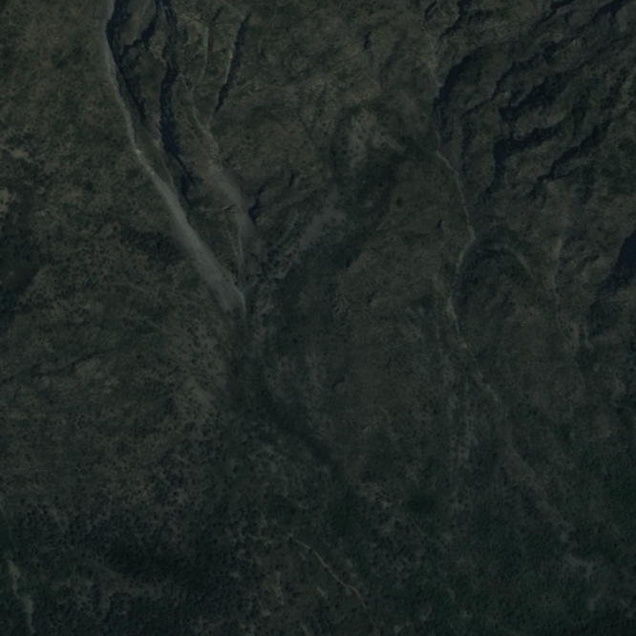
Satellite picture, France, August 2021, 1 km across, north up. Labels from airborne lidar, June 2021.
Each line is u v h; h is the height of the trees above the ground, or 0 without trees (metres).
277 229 7
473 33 7
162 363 7
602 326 9
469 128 5
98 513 13
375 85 0
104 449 7
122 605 17
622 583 6
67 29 0
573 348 7
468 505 9
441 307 7
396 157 7
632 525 7
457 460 6
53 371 6
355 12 6
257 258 9
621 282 8
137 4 0
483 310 7
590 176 6
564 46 7
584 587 8
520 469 0
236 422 8
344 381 6
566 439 6
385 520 11
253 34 0
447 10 6
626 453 7
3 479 8
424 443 14
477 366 0
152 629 14
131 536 9
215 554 7
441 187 6
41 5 0
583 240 10
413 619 8
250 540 11
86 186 7
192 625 7
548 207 6
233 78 10
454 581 9
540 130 18
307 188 18
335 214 0
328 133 12
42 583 6
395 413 7
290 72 9
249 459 7
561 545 9
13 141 9
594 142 7
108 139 9
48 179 10
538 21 6
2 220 12
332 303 6
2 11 8
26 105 0
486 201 7
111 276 7
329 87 0
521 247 5
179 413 6
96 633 19
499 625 9
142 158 0
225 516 6
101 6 0
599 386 7
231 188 0
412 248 6
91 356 8
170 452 10
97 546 20
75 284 8
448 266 10
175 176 6
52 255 8
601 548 7
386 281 6
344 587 8
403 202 13
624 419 9
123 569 17
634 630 13
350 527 7
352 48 0
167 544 8
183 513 14
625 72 18
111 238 8
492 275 5
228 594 12
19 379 6
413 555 13
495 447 6
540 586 6
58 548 14
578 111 17
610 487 7
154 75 6
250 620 11
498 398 0
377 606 8
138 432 7
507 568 8
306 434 6
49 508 16
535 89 13
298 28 0
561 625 8
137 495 9
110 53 0
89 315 5
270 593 7
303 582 7
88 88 0
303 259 7
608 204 5
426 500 6
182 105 8
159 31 0
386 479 8
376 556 6
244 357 6
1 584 7
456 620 6
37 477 6
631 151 10
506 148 10
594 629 8
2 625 13
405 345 7
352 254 0
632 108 8
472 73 7
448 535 0
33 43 0
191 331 10
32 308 8
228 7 0
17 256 7
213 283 0
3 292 13
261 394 7
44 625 18
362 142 0
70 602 8
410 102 0
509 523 6
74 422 7
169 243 12
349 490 6
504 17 9
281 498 6
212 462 11
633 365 13
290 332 8
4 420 6
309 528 6
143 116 10
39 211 7
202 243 0
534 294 7
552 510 0
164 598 9
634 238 6
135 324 8
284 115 6
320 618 8
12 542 7
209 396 0
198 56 7
